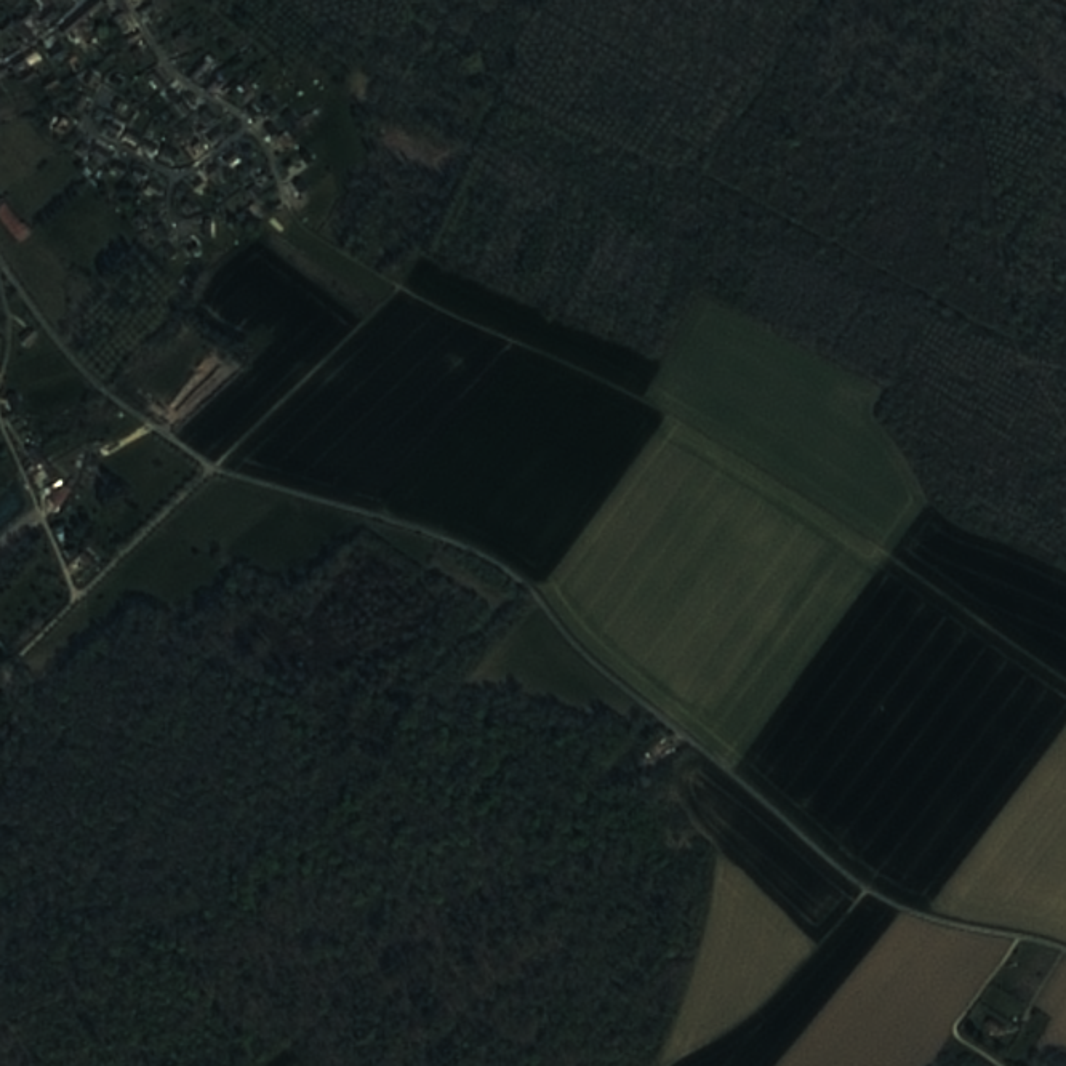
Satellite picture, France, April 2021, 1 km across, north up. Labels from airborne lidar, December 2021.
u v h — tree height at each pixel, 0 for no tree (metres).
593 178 19
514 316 0
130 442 0
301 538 0
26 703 19
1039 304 11
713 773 0
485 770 22
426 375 0
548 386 0
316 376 0
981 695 0
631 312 19
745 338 0
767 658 0
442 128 30
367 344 0
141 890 18
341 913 17
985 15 27
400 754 16
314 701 21
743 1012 0
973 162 9
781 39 17
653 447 0
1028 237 22
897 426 14
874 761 0
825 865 0
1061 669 0
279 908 21
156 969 8
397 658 13
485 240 15
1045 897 0
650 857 12
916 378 10
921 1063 0
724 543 0
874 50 11
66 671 24
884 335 17
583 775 17
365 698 16
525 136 19
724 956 0
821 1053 0
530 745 16
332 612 12
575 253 15
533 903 14
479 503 0
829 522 0
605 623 0
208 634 15
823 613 0
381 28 18
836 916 0
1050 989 0
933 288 9
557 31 25
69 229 0
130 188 12
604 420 0
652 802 12
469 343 0
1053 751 0
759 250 16
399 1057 10
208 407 0
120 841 22
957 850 0
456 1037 19
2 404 0
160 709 19
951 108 7
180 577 0
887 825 0
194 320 18
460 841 18
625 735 18
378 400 0
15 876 21
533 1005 20
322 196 0
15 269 0
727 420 0
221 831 19
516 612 13
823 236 5
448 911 13
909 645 0
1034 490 7
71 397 0
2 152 0
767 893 0
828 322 18
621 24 18
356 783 15
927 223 7
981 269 8
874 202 14
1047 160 24
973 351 22
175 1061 9
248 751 21
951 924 0
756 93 13
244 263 0
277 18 14
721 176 9
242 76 12
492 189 19
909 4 20
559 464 0
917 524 0
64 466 0
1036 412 20
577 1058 25
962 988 0
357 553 17
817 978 0
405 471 0
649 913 24
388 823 10
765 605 0
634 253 16
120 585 0
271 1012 13
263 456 0
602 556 0
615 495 0
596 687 0
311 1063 18
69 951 9
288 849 23
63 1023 9
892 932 0
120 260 24
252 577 20
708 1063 0
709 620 0
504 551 0
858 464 0
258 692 17
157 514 7
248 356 15
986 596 0
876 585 0
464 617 16
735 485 0
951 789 0
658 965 24
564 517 0
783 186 9
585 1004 23
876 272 7
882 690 0
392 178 8
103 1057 9
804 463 0
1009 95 24
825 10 13
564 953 9
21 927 23
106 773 22
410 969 22
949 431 10
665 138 18
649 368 0
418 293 0
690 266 16
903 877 0
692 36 19
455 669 15
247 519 0
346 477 0
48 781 22
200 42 7
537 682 0
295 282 0
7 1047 17
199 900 19
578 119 32
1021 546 9
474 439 0
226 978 18
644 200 19
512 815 27
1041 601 0
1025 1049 0
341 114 0
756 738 0
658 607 0
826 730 0
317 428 0
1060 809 0
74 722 25
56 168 0
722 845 0
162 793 17
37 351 0
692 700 0
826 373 0
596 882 14
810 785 0
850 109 18
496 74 23
